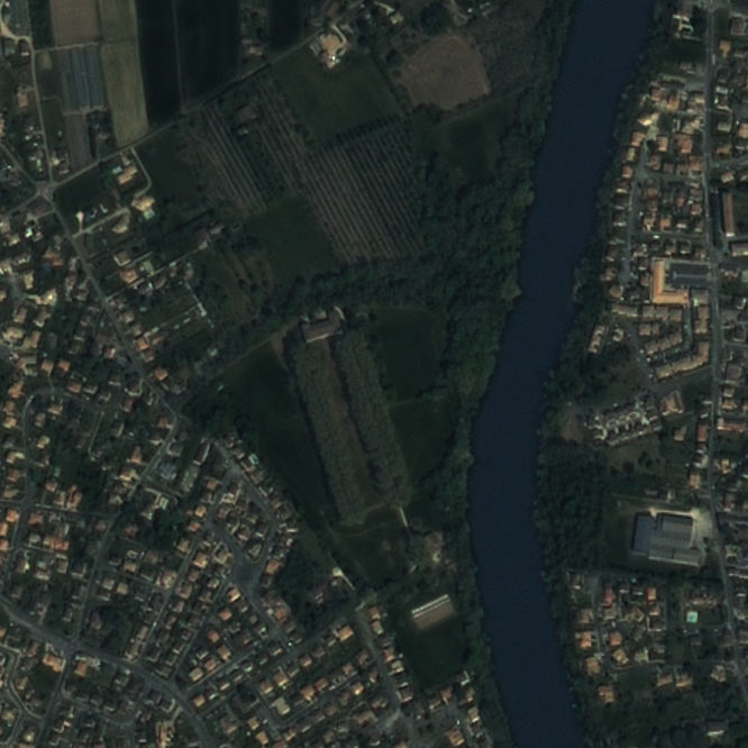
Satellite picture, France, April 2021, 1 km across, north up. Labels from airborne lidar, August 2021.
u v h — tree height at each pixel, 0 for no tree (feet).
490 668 18
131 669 0
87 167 0
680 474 0
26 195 25
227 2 0
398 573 0
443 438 0
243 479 0
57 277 66
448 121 47
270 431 0
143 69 0
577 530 85
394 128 67
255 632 22
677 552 0
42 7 22
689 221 19
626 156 42
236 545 0
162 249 35
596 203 54
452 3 35
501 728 72
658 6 49
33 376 23
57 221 21
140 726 33
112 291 19
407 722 0
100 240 0
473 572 73
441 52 0
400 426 0
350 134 0
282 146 67
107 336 0
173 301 23
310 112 0
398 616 0
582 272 68
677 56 0
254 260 0
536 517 54
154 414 0
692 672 32
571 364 70
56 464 28
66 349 24
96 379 23
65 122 0
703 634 18
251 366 0
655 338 22
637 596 26
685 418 0
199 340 0
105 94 0
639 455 0
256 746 29
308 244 0
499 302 49
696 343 22
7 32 0
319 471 0
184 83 0
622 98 45
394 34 35
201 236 0
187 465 34
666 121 0
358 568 0
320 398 144
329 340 0
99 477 28
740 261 0
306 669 19
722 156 29
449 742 19
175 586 0
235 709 21
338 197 74
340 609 62
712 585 42
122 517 23
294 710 24
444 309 0
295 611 35
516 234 67
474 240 83
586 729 47
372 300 80
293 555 31
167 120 0
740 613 0
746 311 19
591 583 0
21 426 0
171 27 0
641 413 0
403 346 0
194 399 26
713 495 0
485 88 0
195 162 38
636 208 0
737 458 22
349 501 133
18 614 0
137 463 28
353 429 0
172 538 67
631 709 32
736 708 77
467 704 19
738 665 0
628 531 0
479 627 62
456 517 36
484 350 61
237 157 68
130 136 0
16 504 0
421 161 51
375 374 106
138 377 26
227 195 50
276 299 38
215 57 0
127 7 0
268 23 0
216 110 50
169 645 29
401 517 0
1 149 0
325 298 53
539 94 40
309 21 17
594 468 24
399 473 136
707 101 0
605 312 27
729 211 0
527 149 32
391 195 69
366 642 47
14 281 0
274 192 71
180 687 30
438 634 0
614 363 29
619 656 0
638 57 46
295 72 0
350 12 40
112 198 21
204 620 0
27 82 0
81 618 0
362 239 76
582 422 28
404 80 0
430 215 62
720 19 0
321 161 60
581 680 53
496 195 59
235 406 25
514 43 31
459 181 0
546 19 35
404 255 79
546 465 41
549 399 30
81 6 0
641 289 28
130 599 29
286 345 0
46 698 21
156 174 0
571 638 34
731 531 58
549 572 47
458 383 107
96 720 27
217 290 44
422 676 0
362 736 22
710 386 0
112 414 0
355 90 0
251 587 0
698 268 0
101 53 0
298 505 23
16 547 0
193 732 29
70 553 25
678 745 51
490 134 0
